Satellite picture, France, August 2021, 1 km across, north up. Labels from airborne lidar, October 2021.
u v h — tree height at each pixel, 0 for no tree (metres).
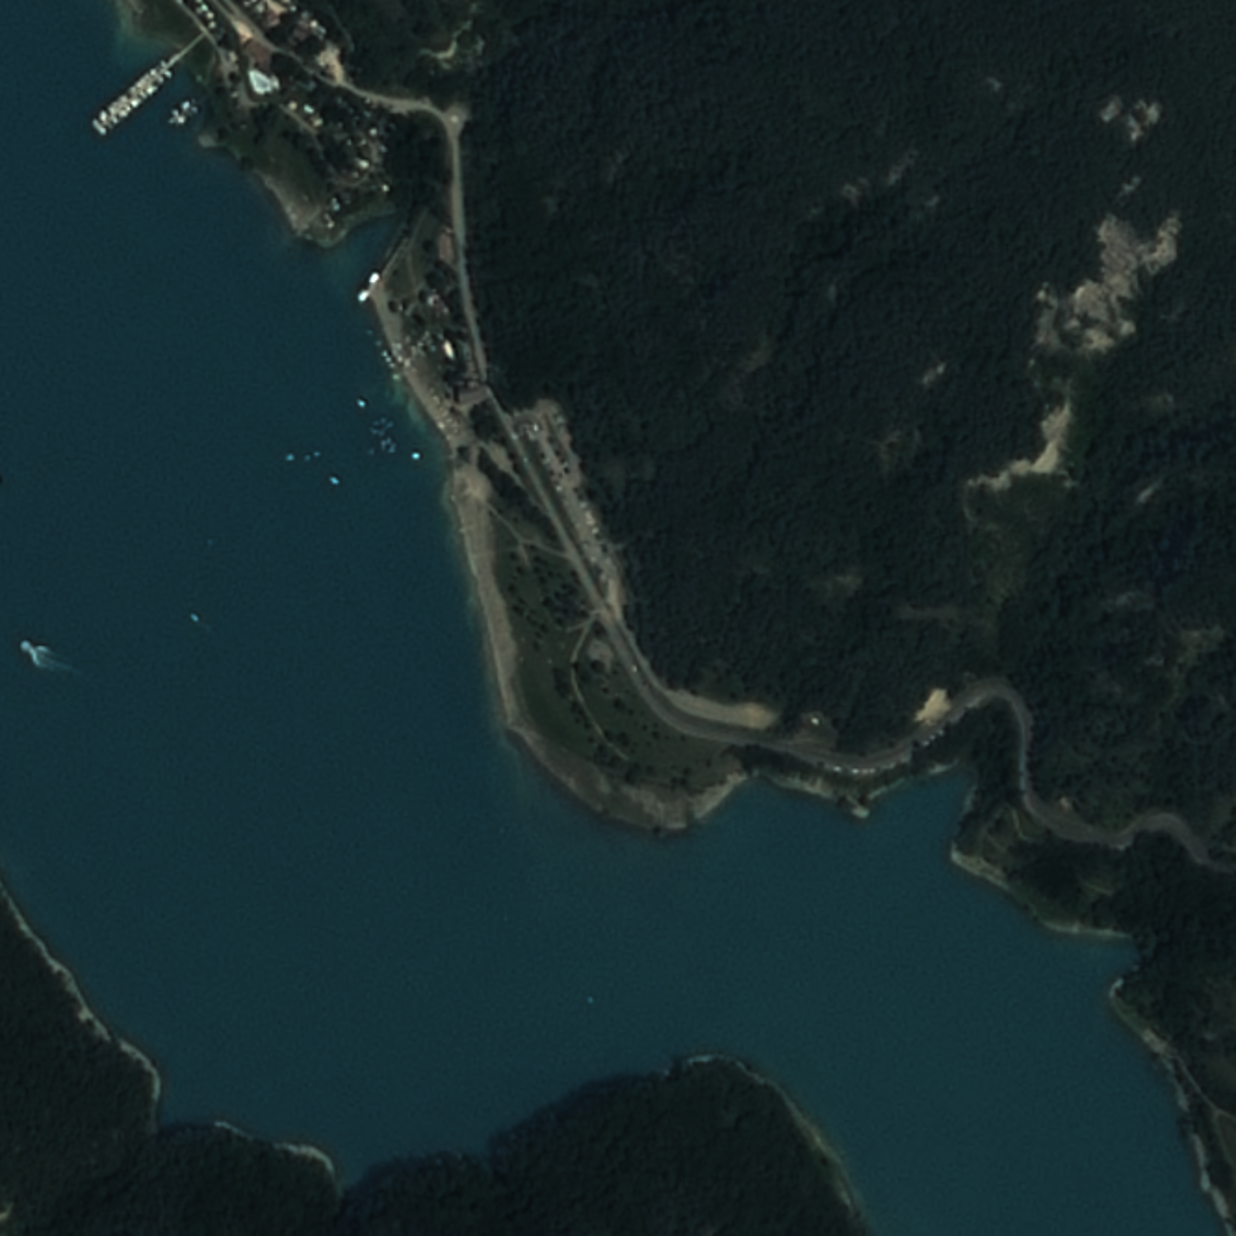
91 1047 8
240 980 0
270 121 14
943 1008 0
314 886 0
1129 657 6
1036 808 0
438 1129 0
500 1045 0
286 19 12
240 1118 0
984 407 10
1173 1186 0
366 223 0
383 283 0
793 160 12
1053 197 12
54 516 0
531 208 11
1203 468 7
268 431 0
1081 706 10
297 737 0
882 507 18
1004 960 0
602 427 8
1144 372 10
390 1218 23
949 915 0
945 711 0
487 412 8
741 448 15
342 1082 0
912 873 0
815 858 0
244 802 0
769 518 10
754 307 11
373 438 0
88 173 0
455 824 0
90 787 0
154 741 0
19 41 0
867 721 9
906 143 7
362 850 0
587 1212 8
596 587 0
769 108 9
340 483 0
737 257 14
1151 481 7
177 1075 0
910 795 0
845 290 13
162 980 0
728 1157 14
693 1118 12
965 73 7
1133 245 0
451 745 0
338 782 0
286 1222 14
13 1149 10
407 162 13
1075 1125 0
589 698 0
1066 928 0
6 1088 14
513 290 8
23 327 0
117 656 0
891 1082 0
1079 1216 0
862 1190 0
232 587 0
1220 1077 0
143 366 0
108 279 0
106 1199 14
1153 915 14
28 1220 7
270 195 0
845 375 13
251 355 0
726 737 0
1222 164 6
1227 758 10
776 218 15
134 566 0
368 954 0
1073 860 9
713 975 0
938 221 12
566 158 11
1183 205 8
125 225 0
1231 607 12
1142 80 9
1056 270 9
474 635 0
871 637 10
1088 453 11
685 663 9
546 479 0
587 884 0
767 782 0
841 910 0
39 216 0
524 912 0
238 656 0
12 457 0
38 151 0
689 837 0
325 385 0
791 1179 8
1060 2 14
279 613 0
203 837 0
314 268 0
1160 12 8
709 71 16
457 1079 0
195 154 0
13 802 0
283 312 0
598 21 14
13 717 0
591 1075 0
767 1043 0
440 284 11
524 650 0
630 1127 15
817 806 0
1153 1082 0
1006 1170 0
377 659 0
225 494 0
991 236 10
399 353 0
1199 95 9
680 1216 9
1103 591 10
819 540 8
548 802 0
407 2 12
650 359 11
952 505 10
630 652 0
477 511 0
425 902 0
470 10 6
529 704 0
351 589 0
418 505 0
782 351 9
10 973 11
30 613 0
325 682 0
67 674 0
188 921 0
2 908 11
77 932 0
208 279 0
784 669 10
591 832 0
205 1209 20
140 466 0
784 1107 11
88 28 0
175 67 0
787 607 11
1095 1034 0
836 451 7
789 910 0
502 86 10
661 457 9
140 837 0
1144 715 7
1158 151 6
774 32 12
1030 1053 0
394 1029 0
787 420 11
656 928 0
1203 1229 0
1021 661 11
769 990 0
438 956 0
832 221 17
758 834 0
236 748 0
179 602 0
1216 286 13
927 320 9
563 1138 13
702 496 12
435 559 0
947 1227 0
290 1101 0
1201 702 7
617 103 12
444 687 0
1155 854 24
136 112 0
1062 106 7
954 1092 0
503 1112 0
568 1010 0
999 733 11
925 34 12
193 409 0
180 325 0
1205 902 13
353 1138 0
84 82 0
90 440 0
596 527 0
